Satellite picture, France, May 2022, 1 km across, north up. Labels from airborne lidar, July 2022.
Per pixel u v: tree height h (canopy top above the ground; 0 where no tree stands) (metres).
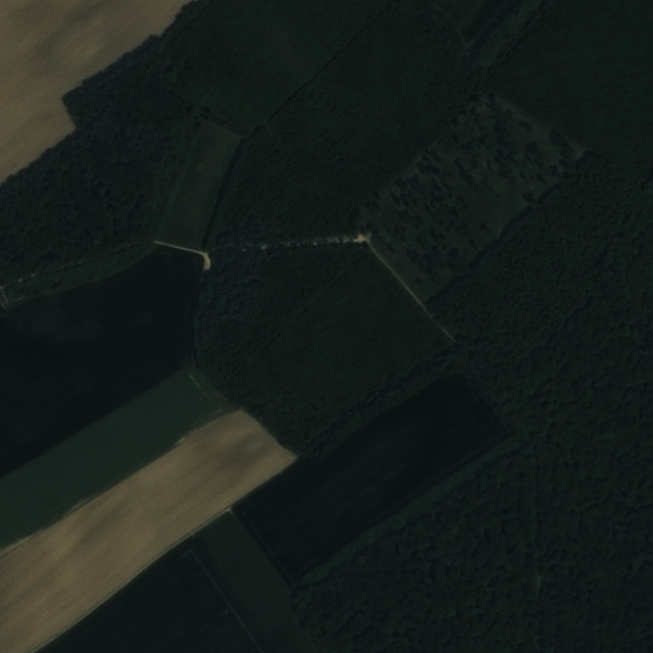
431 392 0
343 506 0
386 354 7
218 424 0
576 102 8
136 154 28
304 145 13
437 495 14
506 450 12
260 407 13
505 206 0
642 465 26
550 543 27
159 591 0
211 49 7
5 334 0
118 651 0
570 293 18
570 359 26
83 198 27
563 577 31
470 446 0
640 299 21
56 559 0
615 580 31
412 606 31
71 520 0
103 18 0
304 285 19
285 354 7
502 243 16
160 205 25
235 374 6
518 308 17
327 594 29
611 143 7
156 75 28
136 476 0
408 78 10
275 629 0
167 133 17
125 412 0
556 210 17
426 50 12
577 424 26
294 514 0
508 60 10
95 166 27
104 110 30
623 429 26
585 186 18
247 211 18
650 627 34
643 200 20
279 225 17
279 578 0
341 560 14
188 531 0
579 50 9
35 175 20
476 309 17
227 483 0
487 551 31
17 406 0
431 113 12
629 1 9
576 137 7
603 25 7
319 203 17
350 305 6
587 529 31
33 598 0
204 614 0
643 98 6
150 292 0
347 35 8
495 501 28
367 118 13
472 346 20
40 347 0
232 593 0
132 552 0
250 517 0
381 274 8
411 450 0
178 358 0
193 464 0
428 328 7
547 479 24
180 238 0
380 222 0
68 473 0
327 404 27
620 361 22
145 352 0
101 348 0
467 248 0
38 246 22
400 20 12
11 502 0
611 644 27
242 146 14
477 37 0
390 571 28
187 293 0
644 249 28
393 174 12
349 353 7
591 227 18
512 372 19
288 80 5
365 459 0
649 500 30
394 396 23
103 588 0
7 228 23
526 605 30
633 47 8
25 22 0
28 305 0
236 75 6
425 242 29
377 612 26
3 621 0
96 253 17
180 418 0
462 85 8
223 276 22
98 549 0
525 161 0
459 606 28
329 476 0
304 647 0
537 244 19
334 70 11
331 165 15
